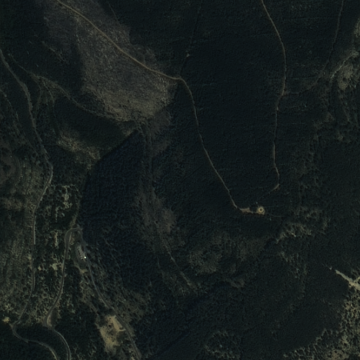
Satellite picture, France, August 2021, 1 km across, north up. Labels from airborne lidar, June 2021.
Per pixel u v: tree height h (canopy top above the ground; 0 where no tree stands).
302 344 20
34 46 8
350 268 16
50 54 9
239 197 11
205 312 20
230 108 12
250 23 10
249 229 7
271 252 17
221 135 12
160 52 6
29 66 9
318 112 8
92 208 9
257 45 12
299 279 11
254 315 22
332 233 19
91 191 16
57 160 15
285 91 9
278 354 21
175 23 7
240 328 21
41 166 11
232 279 14
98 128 11
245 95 13
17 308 6
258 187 8
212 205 9
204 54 16
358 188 19
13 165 0
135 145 8
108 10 12
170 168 10
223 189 10
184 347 22
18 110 9
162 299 7
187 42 8
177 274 7
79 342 7
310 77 10
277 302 20
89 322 6
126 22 11
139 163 17
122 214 14
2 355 12
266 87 8
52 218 8
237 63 13
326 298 17
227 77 11
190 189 11
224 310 17
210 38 8
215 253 9
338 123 12
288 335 21
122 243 15
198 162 9
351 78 12
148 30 10
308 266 13
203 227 8
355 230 18
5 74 8
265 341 23
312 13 7
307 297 17
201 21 10
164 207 7
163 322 18
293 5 6
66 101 8
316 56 9
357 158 21
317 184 16
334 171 25
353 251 19
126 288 13
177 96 11
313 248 21
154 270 16
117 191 14
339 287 20
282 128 9
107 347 0
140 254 12
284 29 6
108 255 12
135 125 9
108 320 0
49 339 7
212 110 10
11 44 10
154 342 18
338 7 7
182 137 10
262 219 9
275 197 8
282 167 9
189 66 12
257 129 11
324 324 20
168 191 7
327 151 29
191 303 9
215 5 10
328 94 10
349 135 12
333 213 23
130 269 8
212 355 9
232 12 8
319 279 21
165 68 7
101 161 10
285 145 9
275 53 11
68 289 6
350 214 15
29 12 10
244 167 12
